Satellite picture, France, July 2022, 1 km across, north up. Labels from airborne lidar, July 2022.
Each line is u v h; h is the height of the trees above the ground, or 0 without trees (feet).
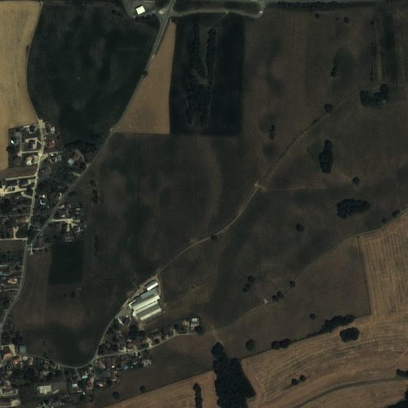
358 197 0
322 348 0
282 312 0
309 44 0
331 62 0
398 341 0
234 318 0
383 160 0
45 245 0
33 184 0
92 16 0
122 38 0
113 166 0
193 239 0
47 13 0
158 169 0
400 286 0
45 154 0
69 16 0
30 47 0
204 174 0
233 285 0
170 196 0
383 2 0
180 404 0
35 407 0
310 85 0
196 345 0
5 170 0
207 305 0
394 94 0
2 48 0
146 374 0
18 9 0
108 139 0
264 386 0
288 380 0
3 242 0
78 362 0
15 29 0
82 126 0
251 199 0
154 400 0
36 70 0
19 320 0
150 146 0
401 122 0
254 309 0
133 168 0
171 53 0
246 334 0
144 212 0
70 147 43
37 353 0
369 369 0
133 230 0
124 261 0
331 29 0
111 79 0
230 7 0
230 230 0
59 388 0
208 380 0
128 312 0
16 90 0
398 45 0
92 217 0
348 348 0
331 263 0
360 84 0
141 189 0
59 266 0
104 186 0
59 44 0
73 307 0
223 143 0
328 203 0
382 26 0
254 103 0
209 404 0
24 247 0
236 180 0
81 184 0
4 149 0
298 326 0
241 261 0
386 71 0
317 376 0
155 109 0
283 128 0
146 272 0
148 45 0
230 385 73
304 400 0
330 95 0
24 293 0
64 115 0
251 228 0
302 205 0
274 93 0
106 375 0
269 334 0
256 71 0
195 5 0
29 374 28
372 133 0
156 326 0
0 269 0
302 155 0
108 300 0
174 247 0
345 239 0
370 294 0
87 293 0
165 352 0
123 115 0
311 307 0
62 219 0
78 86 0
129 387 0
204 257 0
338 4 36
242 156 0
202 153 0
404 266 0
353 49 0
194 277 0
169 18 0
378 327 0
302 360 0
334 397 0
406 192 0
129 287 0
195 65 50
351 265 0
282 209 0
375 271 0
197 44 44
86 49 0
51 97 0
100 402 0
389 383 0
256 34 0
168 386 0
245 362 0
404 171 0
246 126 0
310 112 0
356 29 0
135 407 0
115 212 0
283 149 0
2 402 0
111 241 0
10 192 0
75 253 0
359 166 0
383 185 0
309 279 0
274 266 0
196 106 36
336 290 0
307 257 0
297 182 0
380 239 0
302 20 0
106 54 0
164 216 0
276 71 0
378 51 0
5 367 18
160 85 0
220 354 64
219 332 0
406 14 0
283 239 0
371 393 0
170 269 0
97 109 0
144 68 0
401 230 0
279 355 0
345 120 0
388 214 0
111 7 0
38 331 0
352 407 0
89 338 0
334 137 0
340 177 0
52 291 0
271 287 0
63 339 0
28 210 0
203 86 44
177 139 0
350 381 0
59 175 0
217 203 0
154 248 0
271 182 0
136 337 33
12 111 0
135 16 0
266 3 0
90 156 0
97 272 0
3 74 0
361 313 0
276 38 0
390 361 0
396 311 0
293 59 0
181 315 0
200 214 0
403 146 0
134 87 0
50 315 0
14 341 46
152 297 0
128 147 0
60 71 0
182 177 0
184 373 0
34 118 0
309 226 0
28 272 0
